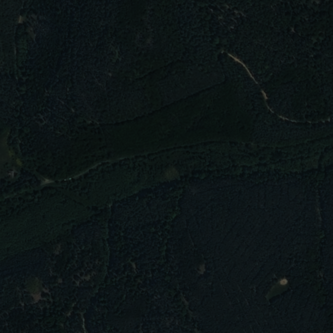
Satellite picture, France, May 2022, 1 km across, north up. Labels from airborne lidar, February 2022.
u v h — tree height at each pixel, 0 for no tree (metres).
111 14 21
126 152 24
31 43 24
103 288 10
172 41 22
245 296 15
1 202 19
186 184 19
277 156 29
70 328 28
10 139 15
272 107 18
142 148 23
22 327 7
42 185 0
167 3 24
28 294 11
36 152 13
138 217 26
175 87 26
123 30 17
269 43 26
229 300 15
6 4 10
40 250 18
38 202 13
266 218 23
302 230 24
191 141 23
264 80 23
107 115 21
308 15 29
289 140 24
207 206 23
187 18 32
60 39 13
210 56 28
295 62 25
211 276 25
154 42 19
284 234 21
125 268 29
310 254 21
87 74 25
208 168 18
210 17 29
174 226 20
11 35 12
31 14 13
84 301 33
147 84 21
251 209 21
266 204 22
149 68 16
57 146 13
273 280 15
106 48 22
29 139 15
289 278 13
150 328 17
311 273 24
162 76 21
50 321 18
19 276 27
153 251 31
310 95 19
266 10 23
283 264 18
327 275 24
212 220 19
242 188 20
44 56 18
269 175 24
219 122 18
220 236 21
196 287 15
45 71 10
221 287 17
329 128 23
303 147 17
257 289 17
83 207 15
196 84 21
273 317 16
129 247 10
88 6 24
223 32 30
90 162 13
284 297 17
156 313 10
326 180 22
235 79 20
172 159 0
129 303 12
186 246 16
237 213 21
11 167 0
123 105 26
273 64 22
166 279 29
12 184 12
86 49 21
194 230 17
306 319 21
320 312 21
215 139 16
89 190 13
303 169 9
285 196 24
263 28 25
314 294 22
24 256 21
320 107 19
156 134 19
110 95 27
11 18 8
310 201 23
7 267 18
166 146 18
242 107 21
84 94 22
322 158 20
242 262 23
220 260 21
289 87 21
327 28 24
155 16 23
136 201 24
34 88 15
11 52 9
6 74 10
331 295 23
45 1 15
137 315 12
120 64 19
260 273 18
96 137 16
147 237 24
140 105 22
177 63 22
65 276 10
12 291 13
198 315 11
